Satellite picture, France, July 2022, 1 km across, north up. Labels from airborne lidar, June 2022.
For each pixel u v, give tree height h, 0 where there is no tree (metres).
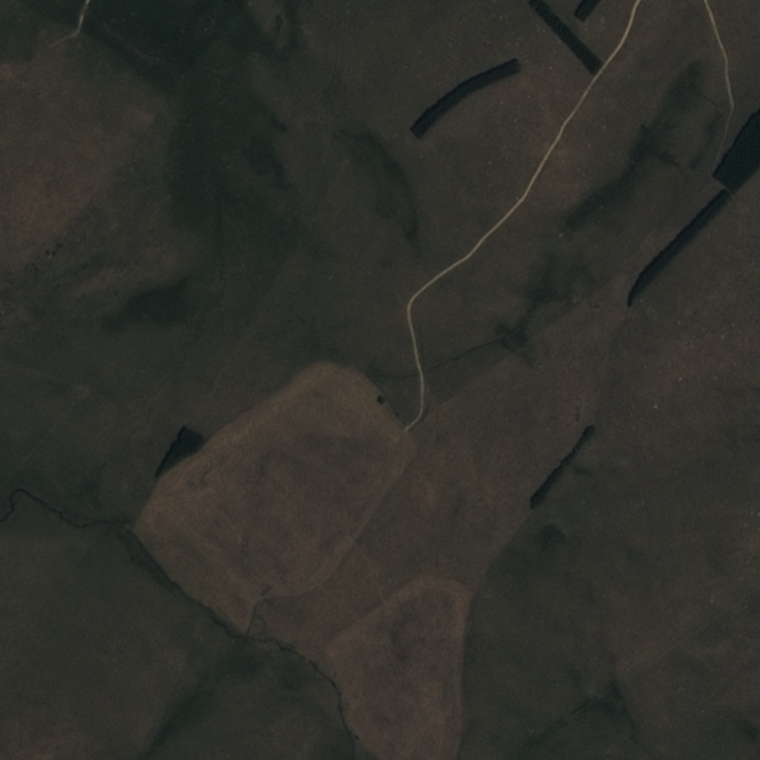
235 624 0
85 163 0
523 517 0
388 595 0
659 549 0
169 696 0
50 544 0
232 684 0
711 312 0
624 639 0
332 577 0
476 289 0
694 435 0
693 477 0
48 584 0
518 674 0
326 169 0
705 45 0
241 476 0
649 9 0
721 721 0
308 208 0
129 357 0
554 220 0
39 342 0
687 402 0
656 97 0
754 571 0
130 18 0
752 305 0
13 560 0
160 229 0
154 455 0
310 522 0
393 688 0
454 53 0
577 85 0
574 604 0
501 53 0
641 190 0
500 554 0
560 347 0
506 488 0
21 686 0
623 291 0
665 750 0
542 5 10
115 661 0
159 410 0
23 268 0
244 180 0
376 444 0
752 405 0
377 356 0
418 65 0
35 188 0
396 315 0
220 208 0
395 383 0
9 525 0
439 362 0
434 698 0
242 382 0
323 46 0
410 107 0
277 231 0
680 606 0
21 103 0
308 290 0
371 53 0
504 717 0
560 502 0
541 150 0
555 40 0
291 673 0
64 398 0
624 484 0
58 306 0
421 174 0
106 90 0
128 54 0
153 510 0
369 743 0
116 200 0
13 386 0
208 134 0
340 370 0
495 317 0
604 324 0
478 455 0
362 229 0
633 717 0
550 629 0
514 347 0
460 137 0
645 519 0
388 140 0
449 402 0
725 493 0
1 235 0
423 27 0
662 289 0
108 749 0
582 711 0
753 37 0
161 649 0
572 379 0
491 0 0
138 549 0
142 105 0
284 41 0
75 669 0
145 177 0
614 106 0
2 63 0
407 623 0
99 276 0
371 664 0
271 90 0
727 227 0
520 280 0
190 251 0
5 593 0
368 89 0
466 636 0
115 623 0
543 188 0
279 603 0
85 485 0
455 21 0
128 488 0
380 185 0
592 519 0
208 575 0
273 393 0
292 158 0
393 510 0
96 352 0
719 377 0
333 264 0
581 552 0
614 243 0
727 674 0
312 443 0
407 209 0
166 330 0
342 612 0
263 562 0
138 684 0
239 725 0
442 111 10
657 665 0
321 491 0
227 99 0
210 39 0
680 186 0
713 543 0
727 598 0
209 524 0
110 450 0
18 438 0
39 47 0
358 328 0
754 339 0
